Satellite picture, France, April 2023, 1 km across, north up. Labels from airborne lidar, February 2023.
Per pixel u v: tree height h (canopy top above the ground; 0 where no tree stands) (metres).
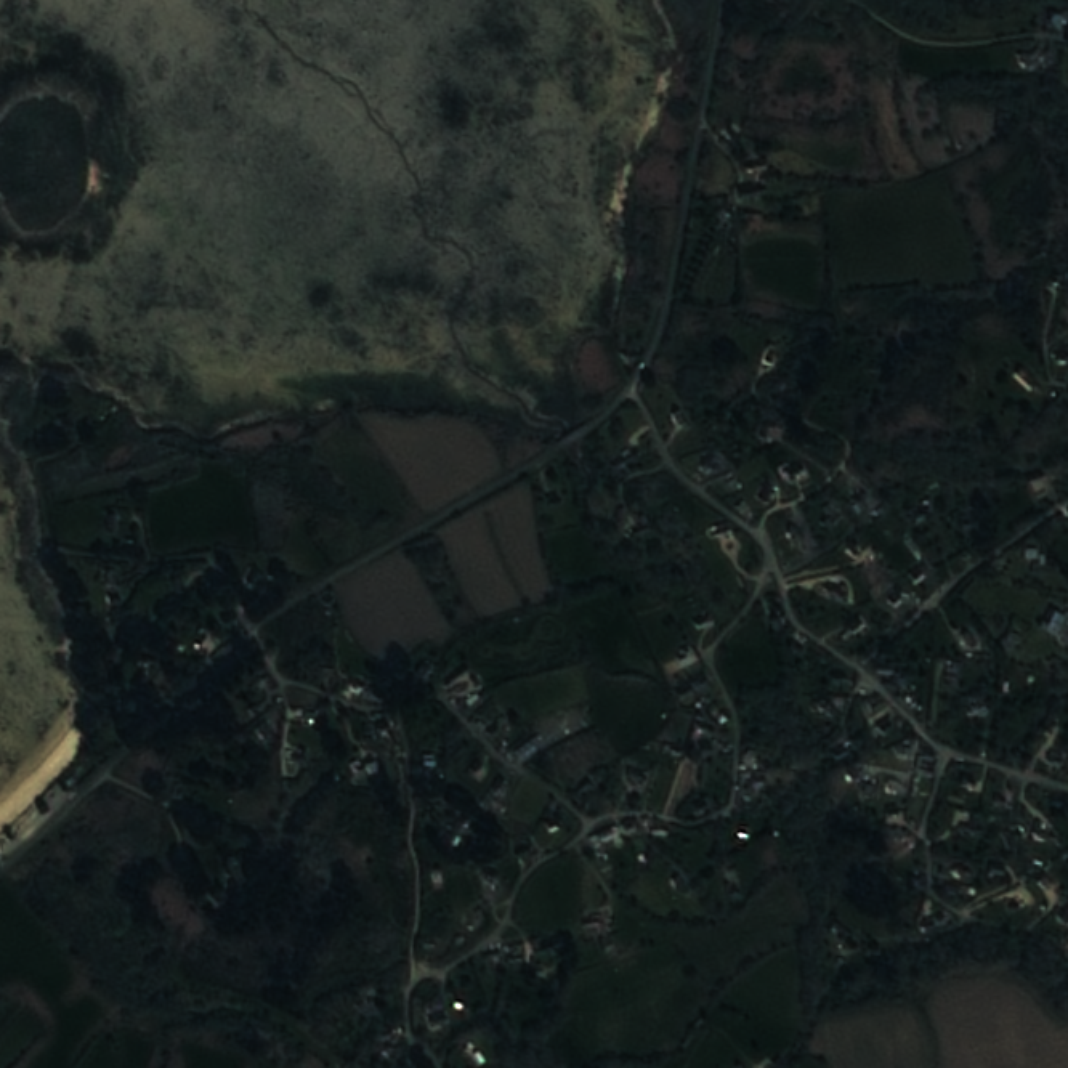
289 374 0
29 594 0
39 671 0
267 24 0
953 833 6
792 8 6
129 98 0
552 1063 23
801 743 16
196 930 0
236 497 0
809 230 0
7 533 0
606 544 12
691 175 0
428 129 0
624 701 0
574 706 0
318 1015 10
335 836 0
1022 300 21
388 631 0
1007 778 0
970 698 9
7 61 0
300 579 6
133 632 22
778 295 0
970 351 0
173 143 0
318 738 17
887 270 0
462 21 0
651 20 0
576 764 8
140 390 0
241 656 16
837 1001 10
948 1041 0
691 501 0
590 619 0
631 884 6
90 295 0
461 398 0
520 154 0
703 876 7
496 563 0
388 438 0
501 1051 13
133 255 0
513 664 0
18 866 0
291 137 0
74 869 8
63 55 0
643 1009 0
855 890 21
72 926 13
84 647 20
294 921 10
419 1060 17
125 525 0
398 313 0
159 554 0
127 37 0
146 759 0
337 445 0
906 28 9
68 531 0
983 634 9
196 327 0
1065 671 9
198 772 12
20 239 0
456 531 0
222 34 0
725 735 8
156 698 9
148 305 0
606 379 0
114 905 15
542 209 0
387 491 0
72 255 0
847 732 6
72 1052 0
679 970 0
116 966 15
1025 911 0
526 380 0
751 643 0
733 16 15
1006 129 16
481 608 0
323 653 14
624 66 0
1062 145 14
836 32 7
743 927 0
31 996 0
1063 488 6
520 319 0
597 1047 0
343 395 0
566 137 0
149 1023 0
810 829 12
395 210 0
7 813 0
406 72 0
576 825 0
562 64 0
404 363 0
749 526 0
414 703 17
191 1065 0
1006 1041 0
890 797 0
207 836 15
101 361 0
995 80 8
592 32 0
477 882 0
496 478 0
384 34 0
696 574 13
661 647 0
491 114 0
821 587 0
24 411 0
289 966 9
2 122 0
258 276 0
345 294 0
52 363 0
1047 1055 0
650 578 12
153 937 7
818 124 7
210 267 0
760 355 0
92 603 0
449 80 0
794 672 6
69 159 0
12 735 0
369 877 0
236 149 0
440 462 0
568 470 7
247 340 0
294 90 0
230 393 0
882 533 0
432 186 0
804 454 10
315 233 0
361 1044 10
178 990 10
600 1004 0
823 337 13
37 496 0
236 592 15
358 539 0
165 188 0
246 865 14
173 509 0
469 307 0
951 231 0
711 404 8
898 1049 0
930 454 13
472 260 0
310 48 0
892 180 0
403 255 0
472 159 0
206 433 0
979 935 14
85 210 0
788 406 16
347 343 0
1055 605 0
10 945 0
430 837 12
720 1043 0
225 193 0
